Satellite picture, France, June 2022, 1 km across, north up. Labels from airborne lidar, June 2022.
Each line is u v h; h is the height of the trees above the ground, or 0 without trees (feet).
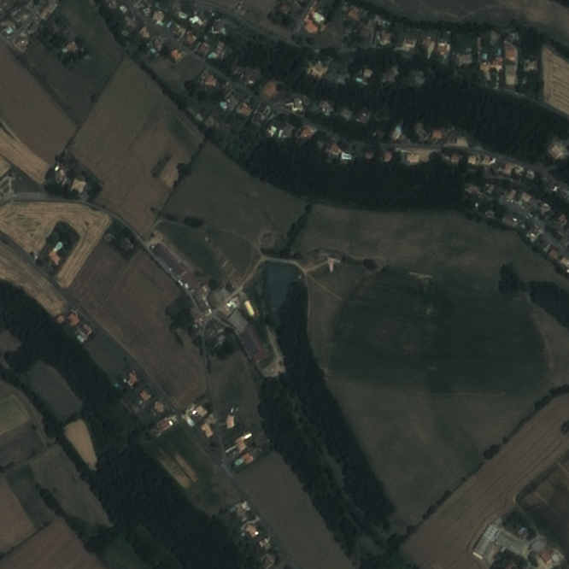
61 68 0
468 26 35
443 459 0
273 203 0
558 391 30
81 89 0
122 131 0
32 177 0
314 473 78
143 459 59
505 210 49
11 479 0
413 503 0
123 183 0
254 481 0
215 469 0
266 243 0
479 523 0
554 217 40
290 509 0
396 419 0
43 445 0
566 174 65
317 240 0
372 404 0
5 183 0
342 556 0
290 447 75
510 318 0
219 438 0
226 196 0
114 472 52
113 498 68
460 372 0
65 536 0
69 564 0
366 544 0
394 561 0
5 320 42
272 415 78
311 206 31
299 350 67
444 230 0
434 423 0
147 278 0
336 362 0
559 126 26
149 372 0
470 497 0
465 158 28
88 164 0
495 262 0
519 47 18
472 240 0
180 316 31
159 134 0
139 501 73
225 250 0
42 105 0
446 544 0
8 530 0
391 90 40
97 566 0
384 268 26
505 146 66
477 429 0
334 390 0
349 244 0
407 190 64
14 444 0
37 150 0
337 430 63
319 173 69
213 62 39
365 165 58
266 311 0
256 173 60
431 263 0
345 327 0
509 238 0
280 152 75
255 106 20
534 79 43
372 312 0
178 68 0
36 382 0
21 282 0
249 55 56
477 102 81
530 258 0
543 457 0
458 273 0
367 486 60
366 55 64
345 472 53
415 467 0
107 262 0
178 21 18
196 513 47
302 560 0
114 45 0
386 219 0
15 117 0
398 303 0
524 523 30
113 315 0
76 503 0
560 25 0
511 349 0
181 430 0
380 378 0
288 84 22
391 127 50
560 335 0
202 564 73
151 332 0
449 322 0
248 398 0
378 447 0
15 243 0
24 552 0
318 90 43
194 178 0
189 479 0
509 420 0
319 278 0
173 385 0
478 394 0
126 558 0
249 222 0
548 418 0
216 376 0
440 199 53
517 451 0
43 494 50
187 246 0
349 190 64
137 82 0
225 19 0
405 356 0
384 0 0
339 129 41
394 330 0
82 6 0
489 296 0
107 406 24
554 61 0
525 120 85
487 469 0
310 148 52
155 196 0
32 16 0
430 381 0
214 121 0
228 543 59
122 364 0
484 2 0
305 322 40
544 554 0
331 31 0
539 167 0
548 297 66
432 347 0
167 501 69
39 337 71
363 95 55
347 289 0
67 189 39
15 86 0
